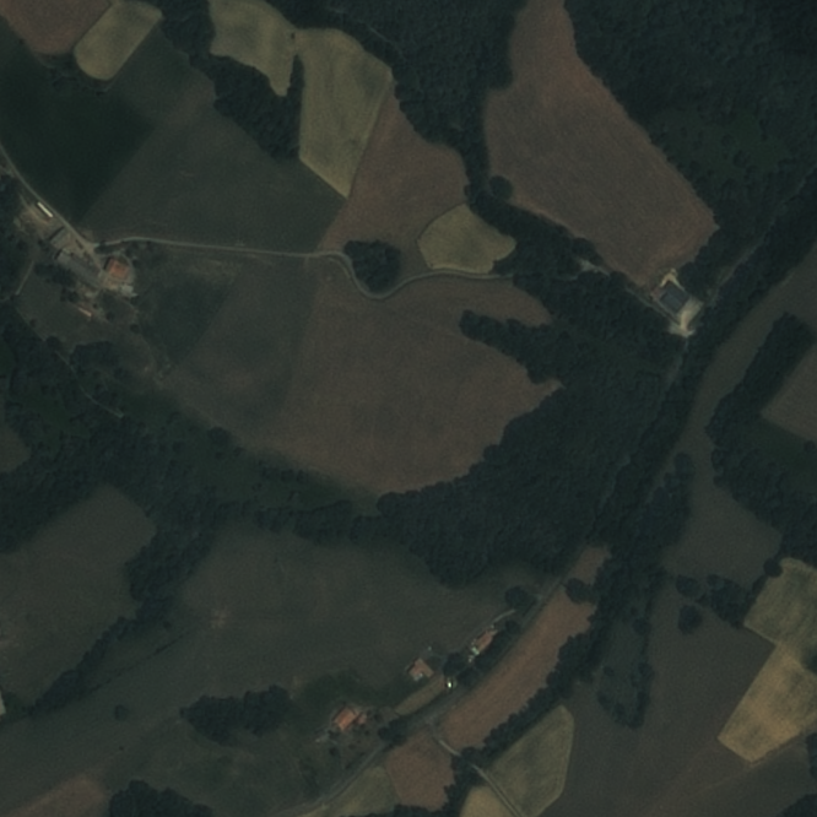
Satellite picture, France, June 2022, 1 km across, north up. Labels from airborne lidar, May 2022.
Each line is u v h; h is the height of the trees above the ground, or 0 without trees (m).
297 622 0
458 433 0
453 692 6
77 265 0
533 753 0
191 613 0
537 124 0
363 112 0
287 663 0
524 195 0
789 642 0
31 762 0
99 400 16
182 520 17
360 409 0
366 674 0
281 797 0
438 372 0
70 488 16
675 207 0
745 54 25
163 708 0
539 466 30
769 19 14
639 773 0
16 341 23
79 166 0
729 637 0
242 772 0
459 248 0
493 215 20
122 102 0
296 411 0
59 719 0
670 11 30
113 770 0
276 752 0
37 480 20
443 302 0
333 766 0
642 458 18
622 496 18
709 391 0
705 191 14
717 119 15
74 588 0
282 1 17
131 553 0
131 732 0
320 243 0
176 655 0
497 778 0
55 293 0
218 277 0
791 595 0
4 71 0
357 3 21
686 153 0
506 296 0
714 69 20
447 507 11
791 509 13
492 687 0
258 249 0
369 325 0
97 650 7
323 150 0
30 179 0
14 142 0
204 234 0
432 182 0
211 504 20
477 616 0
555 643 0
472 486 21
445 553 20
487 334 23
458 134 17
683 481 18
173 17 17
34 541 0
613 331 11
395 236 0
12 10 0
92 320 0
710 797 0
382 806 0
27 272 0
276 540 0
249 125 13
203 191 0
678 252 0
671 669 0
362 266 17
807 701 0
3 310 9
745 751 0
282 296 0
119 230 0
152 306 0
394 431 0
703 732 0
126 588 0
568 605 0
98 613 0
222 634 0
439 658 0
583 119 0
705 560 0
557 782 0
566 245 13
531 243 16
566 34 0
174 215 0
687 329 0
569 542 16
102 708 0
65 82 21
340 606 0
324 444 0
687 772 0
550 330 21
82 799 0
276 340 0
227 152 0
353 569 0
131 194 0
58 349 15
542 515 14
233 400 0
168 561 15
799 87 18
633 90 19
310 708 0
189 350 0
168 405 0
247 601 0
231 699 9
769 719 0
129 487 11
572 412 13
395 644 0
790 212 24
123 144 0
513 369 0
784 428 0
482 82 20
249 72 11
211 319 0
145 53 0
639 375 10
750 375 9
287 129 7
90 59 0
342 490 0
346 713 0
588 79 0
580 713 0
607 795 0
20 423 12
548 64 0
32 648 0
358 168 0
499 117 0
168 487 19
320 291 0
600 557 0
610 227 0
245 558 0
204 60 17
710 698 0
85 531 0
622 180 0
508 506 17
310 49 0
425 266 0
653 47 19
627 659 0
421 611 0
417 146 0
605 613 13
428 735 0
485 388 0
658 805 0
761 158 0
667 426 24
